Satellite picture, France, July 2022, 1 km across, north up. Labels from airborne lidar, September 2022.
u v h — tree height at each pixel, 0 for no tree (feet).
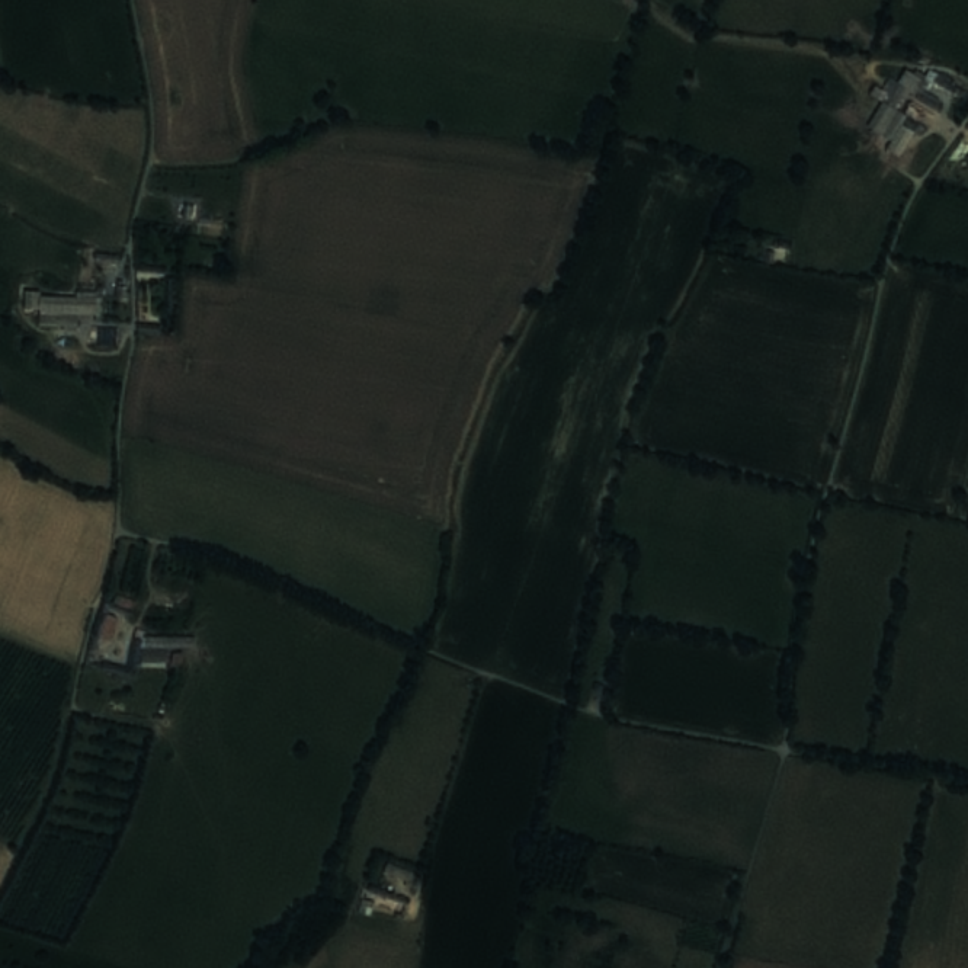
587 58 0
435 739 0
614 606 0
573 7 0
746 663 0
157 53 0
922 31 0
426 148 0
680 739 25
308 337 0
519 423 0
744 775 0
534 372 0
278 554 0
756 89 0
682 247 0
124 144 0
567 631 0
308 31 0
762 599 0
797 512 0
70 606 0
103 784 30
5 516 0
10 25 0
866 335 0
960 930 0
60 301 0
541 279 0
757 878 0
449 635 0
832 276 22
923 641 0
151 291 34
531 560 0
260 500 0
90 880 25
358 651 0
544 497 0
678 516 0
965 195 21
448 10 0
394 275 0
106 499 29
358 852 0
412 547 0
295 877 0
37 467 29
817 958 0
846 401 0
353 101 0
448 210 0
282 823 0
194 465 0
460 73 0
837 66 0
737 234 58
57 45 0
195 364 0
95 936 0
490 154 0
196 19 0
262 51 0
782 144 0
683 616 0
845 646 0
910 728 0
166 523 0
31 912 19
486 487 0
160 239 21
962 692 0
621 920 0
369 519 0
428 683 0
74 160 0
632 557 65
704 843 0
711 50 0
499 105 0
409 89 0
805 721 0
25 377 0
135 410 0
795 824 0
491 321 0
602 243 0
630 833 0
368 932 0
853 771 40
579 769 0
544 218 0
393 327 0
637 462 0
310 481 0
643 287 0
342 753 0
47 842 21
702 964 0
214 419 0
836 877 0
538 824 65
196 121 0
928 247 0
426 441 0
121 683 0
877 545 0
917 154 0
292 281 0
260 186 0
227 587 0
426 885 27
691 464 52
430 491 0
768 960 0
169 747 0
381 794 0
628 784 0
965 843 0
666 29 0
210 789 0
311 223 0
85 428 0
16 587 0
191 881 0
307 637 0
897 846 0
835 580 0
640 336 0
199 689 0
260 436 0
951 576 0
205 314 0
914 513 25
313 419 0
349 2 0
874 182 0
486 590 0
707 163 50
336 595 0
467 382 0
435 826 28
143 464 0
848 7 0
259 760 0
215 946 0
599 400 0
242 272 0
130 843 0
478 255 0
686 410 0
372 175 0
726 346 0
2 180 0
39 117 0
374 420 0
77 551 0
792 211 0
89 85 0
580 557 0
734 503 0
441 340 0
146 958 0
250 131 0
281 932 60
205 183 0
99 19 0
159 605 0
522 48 0
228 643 0
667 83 0
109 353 0
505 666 0
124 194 0
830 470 0
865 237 0
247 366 0
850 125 0
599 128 93
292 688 0
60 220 0
